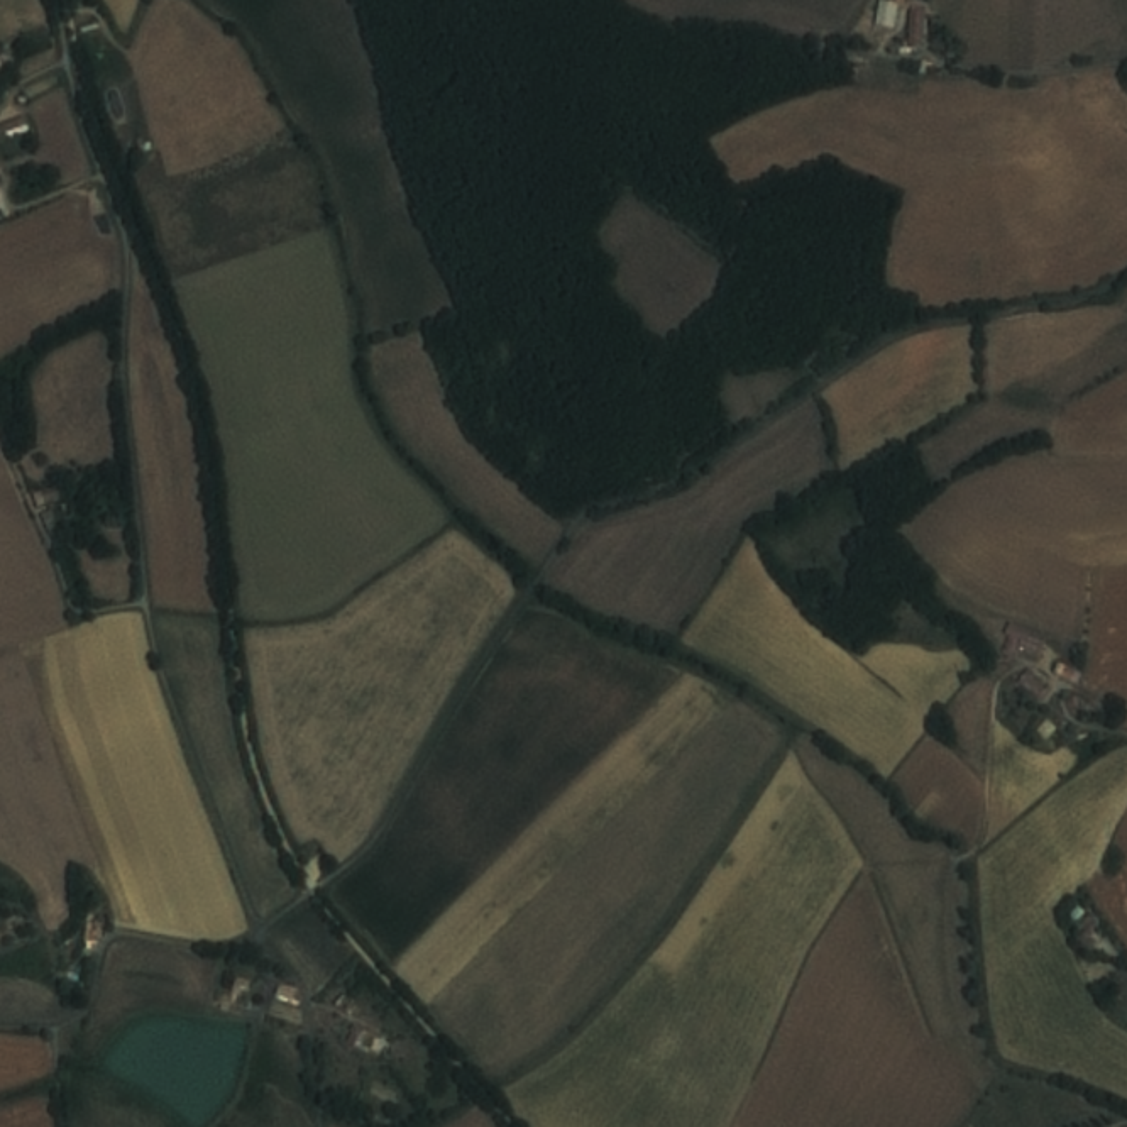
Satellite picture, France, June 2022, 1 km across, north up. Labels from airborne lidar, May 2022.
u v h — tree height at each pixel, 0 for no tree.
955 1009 0
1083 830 0
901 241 0
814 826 0
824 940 0
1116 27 0
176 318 12
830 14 0
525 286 18
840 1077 0
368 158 0
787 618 0
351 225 0
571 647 0
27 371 9
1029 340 0
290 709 0
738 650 0
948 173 0
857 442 0
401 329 14
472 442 11
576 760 0
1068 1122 0
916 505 18
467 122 15
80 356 0
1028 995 0
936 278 0
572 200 21
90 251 0
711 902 0
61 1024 0
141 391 0
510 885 0
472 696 0
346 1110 17
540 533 0
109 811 0
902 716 0
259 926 0
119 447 15
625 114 14
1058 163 0
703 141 13
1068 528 0
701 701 0
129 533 12
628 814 0
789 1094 0
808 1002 0
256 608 0
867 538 22
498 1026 0
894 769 0
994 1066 0
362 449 0
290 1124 0
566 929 0
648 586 0
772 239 21
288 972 13
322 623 0
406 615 0
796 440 0
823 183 18
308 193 0
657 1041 0
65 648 0
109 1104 0
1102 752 17
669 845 0
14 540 0
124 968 0
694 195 11
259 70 8
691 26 12
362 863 0
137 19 0
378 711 0
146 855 0
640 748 0
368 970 8
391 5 14
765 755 0
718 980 0
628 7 11
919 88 0
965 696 0
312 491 0
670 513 0
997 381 0
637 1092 0
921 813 0
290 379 0
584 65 13
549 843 0
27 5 0
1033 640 0
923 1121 0
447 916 0
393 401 0
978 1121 0
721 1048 0
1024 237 0
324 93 0
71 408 0
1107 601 0
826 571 8
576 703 0
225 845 0
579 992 0
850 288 18
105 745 0
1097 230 0
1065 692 9
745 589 0
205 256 0
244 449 0
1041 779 0
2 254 0
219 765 0
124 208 17
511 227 16
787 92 14
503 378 7
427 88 14
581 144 17
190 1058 0
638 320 14
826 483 16
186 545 0
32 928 9
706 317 15
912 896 0
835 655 0
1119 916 0
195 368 13
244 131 0
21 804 0
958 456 0
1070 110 0
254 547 0
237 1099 0
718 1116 0
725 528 0
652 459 16
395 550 0
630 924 0
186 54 0
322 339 0
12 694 0
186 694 0
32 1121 0
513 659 0
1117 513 0
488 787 0
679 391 18
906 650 0
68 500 8
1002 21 0
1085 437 0
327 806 0
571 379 12
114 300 17
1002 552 0
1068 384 0
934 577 18
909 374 0
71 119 0
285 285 0
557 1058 0
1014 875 0
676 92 15
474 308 18
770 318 19
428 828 0
